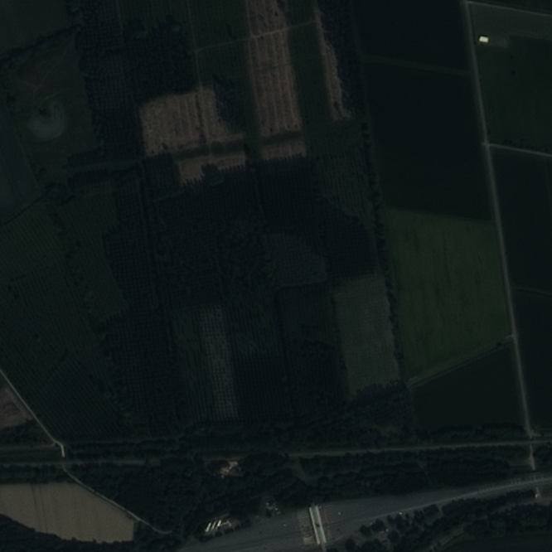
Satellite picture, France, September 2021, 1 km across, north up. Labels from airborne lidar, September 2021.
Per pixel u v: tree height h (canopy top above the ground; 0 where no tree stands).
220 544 0
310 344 26
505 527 22
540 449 11
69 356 9
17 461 0
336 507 0
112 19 27
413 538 10
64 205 6
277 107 0
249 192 24
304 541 0
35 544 11
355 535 0
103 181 26
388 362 0
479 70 0
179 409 18
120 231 13
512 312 0
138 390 20
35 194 0
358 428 6
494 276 0
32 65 0
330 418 20
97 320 8
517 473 10
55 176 0
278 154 0
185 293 16
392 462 18
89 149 0
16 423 0
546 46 0
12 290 9
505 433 14
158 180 0
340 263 23
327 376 29
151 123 0
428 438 20
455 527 19
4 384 0
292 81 0
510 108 0
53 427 11
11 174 0
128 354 21
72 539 0
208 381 13
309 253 32
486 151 0
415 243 0
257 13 0
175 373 18
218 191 25
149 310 20
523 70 0
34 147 0
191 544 0
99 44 22
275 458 14
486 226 0
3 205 0
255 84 0
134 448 8
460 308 0
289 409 8
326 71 0
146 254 18
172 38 23
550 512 12
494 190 0
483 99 0
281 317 27
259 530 0
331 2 0
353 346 0
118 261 17
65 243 8
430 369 0
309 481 0
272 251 30
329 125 0
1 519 12
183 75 20
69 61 0
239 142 0
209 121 0
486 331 0
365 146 8
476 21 0
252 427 13
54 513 0
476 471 19
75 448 14
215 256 18
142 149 9
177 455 14
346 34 0
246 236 7
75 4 30
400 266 0
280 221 25
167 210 18
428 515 17
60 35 10
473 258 0
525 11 0
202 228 18
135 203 15
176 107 0
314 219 21
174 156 0
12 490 0
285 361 9
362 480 15
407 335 0
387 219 0
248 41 0
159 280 20
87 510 0
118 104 23
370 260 19
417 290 0
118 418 16
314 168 10
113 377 8
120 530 0
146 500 19
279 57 0
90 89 23
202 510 17
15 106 15
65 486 0
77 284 11
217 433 10
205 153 0
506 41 0
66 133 0
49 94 0
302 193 22
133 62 23
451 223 0
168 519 10
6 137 0
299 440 10
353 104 0
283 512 0
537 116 0
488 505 13
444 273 0
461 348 0
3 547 8
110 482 11
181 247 17
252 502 20
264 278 31
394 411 34
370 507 0
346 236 22
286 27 0
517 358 0
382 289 0
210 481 20
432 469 13
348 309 0
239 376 14
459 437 12
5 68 17
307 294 31
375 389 0
